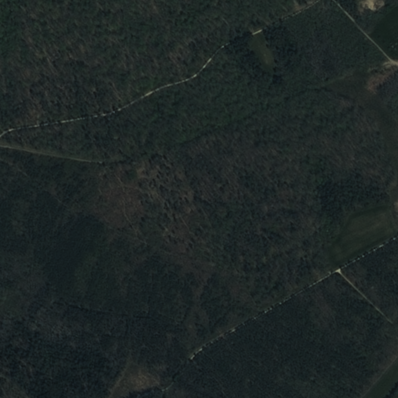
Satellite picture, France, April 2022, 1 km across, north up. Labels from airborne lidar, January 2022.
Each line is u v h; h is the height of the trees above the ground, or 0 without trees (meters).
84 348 27
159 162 30
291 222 30
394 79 17
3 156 8
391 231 0
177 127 31
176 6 29
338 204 28
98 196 7
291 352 20
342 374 20
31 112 34
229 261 30
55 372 24
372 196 19
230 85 30
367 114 29
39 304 17
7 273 22
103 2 31
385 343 22
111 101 35
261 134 29
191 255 28
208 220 30
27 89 21
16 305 15
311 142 32
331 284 22
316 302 22
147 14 31
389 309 23
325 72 22
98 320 21
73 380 21
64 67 32
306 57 17
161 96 30
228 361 20
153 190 25
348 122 33
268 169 32
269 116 32
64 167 13
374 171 27
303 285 28
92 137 23
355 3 22
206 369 21
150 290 14
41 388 30
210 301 12
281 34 21
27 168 10
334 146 32
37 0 31
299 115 32
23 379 29
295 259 32
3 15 24
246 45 25
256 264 31
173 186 30
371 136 31
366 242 0
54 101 33
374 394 0
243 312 8
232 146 19
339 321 23
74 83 36
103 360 24
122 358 18
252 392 18
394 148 0
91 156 20
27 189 13
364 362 22
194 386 18
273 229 33
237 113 28
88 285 12
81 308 9
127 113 33
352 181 25
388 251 21
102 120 32
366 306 23
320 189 15
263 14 25
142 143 32
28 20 33
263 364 18
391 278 19
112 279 12
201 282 11
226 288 12
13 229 15
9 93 27
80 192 9
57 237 14
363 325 21
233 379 23
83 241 18
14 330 29
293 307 22
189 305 13
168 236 30
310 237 34
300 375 18
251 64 22
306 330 21
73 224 17
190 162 33
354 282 18
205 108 34
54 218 15
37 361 29
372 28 23
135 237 6
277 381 21
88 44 30
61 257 17
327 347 22
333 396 17
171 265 11
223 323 11
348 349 23
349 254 0
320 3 12
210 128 23
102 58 32
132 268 14
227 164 35
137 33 26
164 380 20
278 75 17
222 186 33
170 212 27
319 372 17
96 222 16
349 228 0
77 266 19
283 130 27
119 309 12
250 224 32
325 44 21
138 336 22
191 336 6
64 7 28
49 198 15
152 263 15
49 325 19
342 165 30
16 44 26
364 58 19
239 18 25
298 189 33
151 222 31
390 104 15
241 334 22
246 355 21
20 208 13
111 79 28
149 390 0
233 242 30
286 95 26
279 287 6
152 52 7
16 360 21
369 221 0
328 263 30
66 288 16
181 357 17
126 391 0
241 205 26
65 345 27
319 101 31
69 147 30
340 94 0
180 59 30
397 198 0
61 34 30
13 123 28
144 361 20
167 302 11
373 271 20
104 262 14
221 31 29
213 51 18
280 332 21
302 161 33
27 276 19
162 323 13
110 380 28
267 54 0
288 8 26
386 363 18
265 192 33
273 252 30
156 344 21
